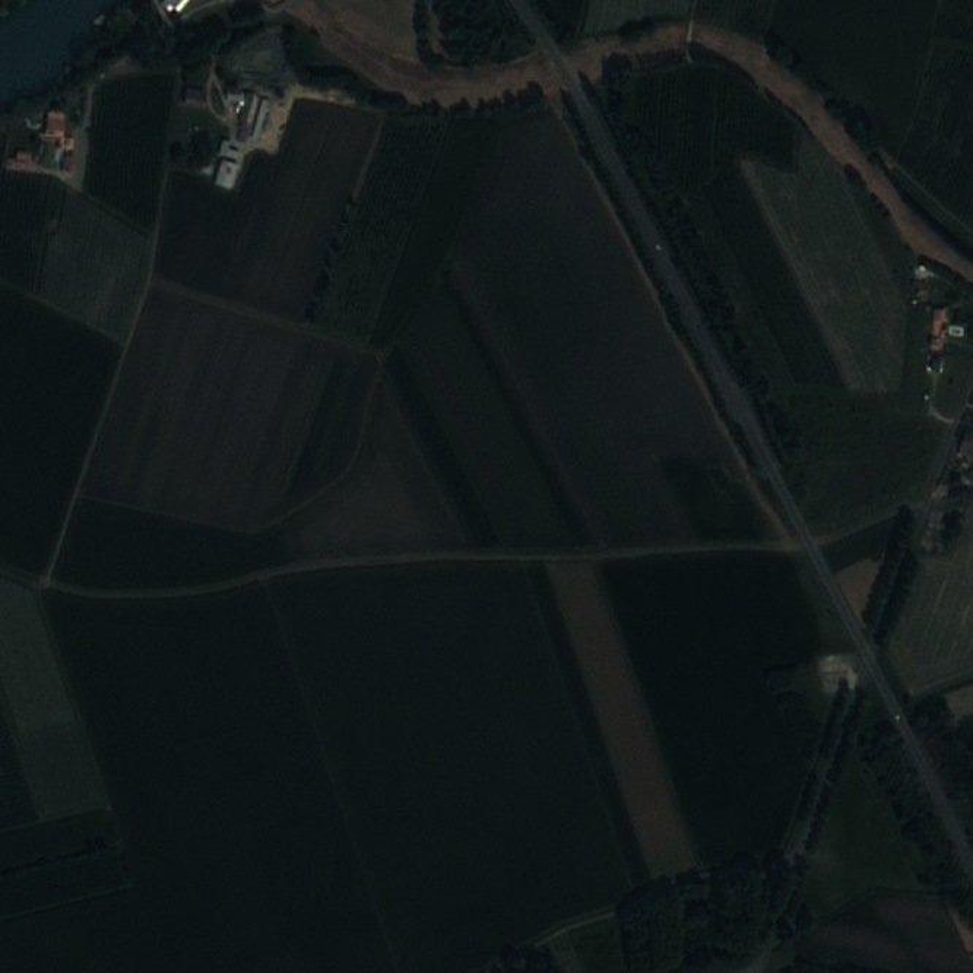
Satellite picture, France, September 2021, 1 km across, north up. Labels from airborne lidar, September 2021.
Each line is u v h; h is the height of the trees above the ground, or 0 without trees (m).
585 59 0
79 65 19
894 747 13
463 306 6
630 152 8
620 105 16
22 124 0
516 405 6
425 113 6
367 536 0
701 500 0
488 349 5
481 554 0
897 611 17
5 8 11
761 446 0
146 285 0
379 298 0
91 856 10
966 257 30
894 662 0
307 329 0
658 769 0
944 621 0
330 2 0
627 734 0
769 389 15
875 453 0
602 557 0
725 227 6
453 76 0
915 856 0
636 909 21
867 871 0
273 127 0
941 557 0
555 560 0
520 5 0
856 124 31
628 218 8
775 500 0
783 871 29
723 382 0
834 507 0
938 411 0
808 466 0
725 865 0
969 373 0
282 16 0
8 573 0
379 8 0
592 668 0
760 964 0
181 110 0
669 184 18
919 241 0
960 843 0
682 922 21
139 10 20
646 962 24
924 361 0
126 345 0
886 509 0
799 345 5
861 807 0
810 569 0
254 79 0
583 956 0
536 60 0
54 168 0
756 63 0
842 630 0
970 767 8
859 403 0
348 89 12
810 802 13
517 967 21
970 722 0
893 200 0
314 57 0
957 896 11
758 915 28
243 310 0
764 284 5
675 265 14
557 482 6
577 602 0
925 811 10
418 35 8
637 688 0
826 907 0
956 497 13
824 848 0
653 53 0
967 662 0
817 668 0
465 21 9
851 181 9
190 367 0
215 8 0
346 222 11
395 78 0
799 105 0
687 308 0
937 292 0
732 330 9
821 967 7
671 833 0
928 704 0
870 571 0
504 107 10
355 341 0
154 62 25
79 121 7
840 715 11
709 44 0
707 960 20
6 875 7
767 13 0
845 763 12
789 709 6
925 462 0
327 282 13
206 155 16
